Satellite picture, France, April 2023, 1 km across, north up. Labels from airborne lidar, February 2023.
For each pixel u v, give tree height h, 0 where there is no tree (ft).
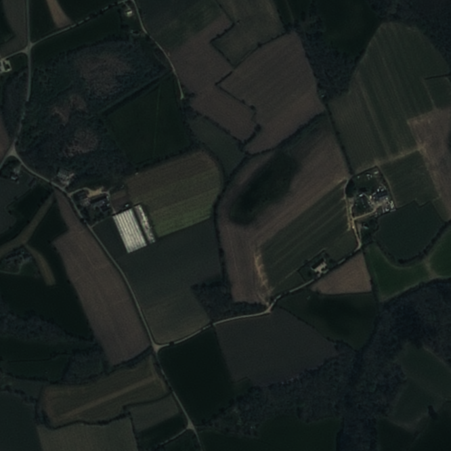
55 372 0
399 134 0
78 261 0
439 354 69
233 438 0
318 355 0
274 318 0
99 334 0
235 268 0
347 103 0
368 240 40
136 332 0
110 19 0
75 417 0
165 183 0
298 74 0
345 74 39
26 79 27
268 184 0
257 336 0
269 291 0
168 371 0
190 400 0
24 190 0
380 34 0
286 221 0
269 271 0
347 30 0
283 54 0
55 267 0
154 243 0
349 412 58
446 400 0
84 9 0
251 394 42
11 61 0
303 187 0
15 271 0
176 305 0
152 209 0
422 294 52
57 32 0
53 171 44
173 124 0
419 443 0
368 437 68
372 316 0
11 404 0
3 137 0
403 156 0
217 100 0
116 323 0
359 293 0
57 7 0
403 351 83
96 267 0
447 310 46
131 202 0
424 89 0
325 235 0
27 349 0
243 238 0
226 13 0
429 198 0
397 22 38
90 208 27
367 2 26
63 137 28
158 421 0
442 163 0
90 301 0
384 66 0
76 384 33
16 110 41
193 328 0
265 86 0
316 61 56
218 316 39
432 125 0
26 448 0
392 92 0
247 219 0
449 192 0
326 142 0
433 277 0
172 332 0
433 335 75
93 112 23
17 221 0
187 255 0
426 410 0
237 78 0
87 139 0
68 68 28
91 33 0
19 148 26
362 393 50
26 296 0
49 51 0
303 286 0
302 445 0
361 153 0
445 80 0
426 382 0
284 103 0
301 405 42
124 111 0
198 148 46
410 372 0
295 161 0
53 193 30
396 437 0
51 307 0
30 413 0
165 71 38
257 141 0
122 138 0
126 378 0
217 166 0
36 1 0
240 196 0
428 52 0
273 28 0
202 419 0
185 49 0
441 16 31
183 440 0
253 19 0
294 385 31
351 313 0
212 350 0
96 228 0
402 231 0
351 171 33
